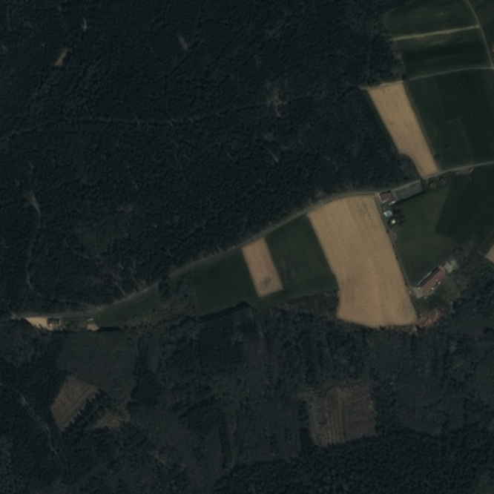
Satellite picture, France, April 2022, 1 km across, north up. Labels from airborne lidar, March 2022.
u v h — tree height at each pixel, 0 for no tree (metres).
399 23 0
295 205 23
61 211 18
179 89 23
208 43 22
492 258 0
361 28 18
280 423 12
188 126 17
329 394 0
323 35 20
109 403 32
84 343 17
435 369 20
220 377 18
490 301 23
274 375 17
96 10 18
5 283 21
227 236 24
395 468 31
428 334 23
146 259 23
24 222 25
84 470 20
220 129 14
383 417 21
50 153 22
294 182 28
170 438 13
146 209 21
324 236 0
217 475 7
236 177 25
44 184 20
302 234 0
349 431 0
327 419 0
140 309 0
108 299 19
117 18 18
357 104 25
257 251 0
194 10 19
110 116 19
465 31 0
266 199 31
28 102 17
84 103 32
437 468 25
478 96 0
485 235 0
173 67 23
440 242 0
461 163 0
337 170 22
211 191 23
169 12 19
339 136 23
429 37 0
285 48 17
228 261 0
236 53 21
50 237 16
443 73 0
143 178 19
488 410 24
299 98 16
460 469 25
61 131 22
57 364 21
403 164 12
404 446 29
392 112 0
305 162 27
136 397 22
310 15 21
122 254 20
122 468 24
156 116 17
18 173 20
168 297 22
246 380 11
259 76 20
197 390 21
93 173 23
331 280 0
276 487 27
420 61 0
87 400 0
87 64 27
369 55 19
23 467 31
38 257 16
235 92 21
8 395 27
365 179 21
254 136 22
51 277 16
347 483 31
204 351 28
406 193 0
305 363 23
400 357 13
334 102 20
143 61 19
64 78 22
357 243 0
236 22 23
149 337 12
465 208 0
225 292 0
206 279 0
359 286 0
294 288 0
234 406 16
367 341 26
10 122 17
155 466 18
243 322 29
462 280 0
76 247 20
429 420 20
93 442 26
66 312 20
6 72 14
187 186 22
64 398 0
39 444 27
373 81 19
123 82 21
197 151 18
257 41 23
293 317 19
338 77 17
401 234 0
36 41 18
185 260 19
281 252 0
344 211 0
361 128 20
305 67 13
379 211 0
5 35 13
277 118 21
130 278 22
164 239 25
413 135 0
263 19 21
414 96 0
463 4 0
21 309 20
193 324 27
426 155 0
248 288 0
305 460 25
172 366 24
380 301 0
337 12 22
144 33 11
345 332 24
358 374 17
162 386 20
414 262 0
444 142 0
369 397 0
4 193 24
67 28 19
